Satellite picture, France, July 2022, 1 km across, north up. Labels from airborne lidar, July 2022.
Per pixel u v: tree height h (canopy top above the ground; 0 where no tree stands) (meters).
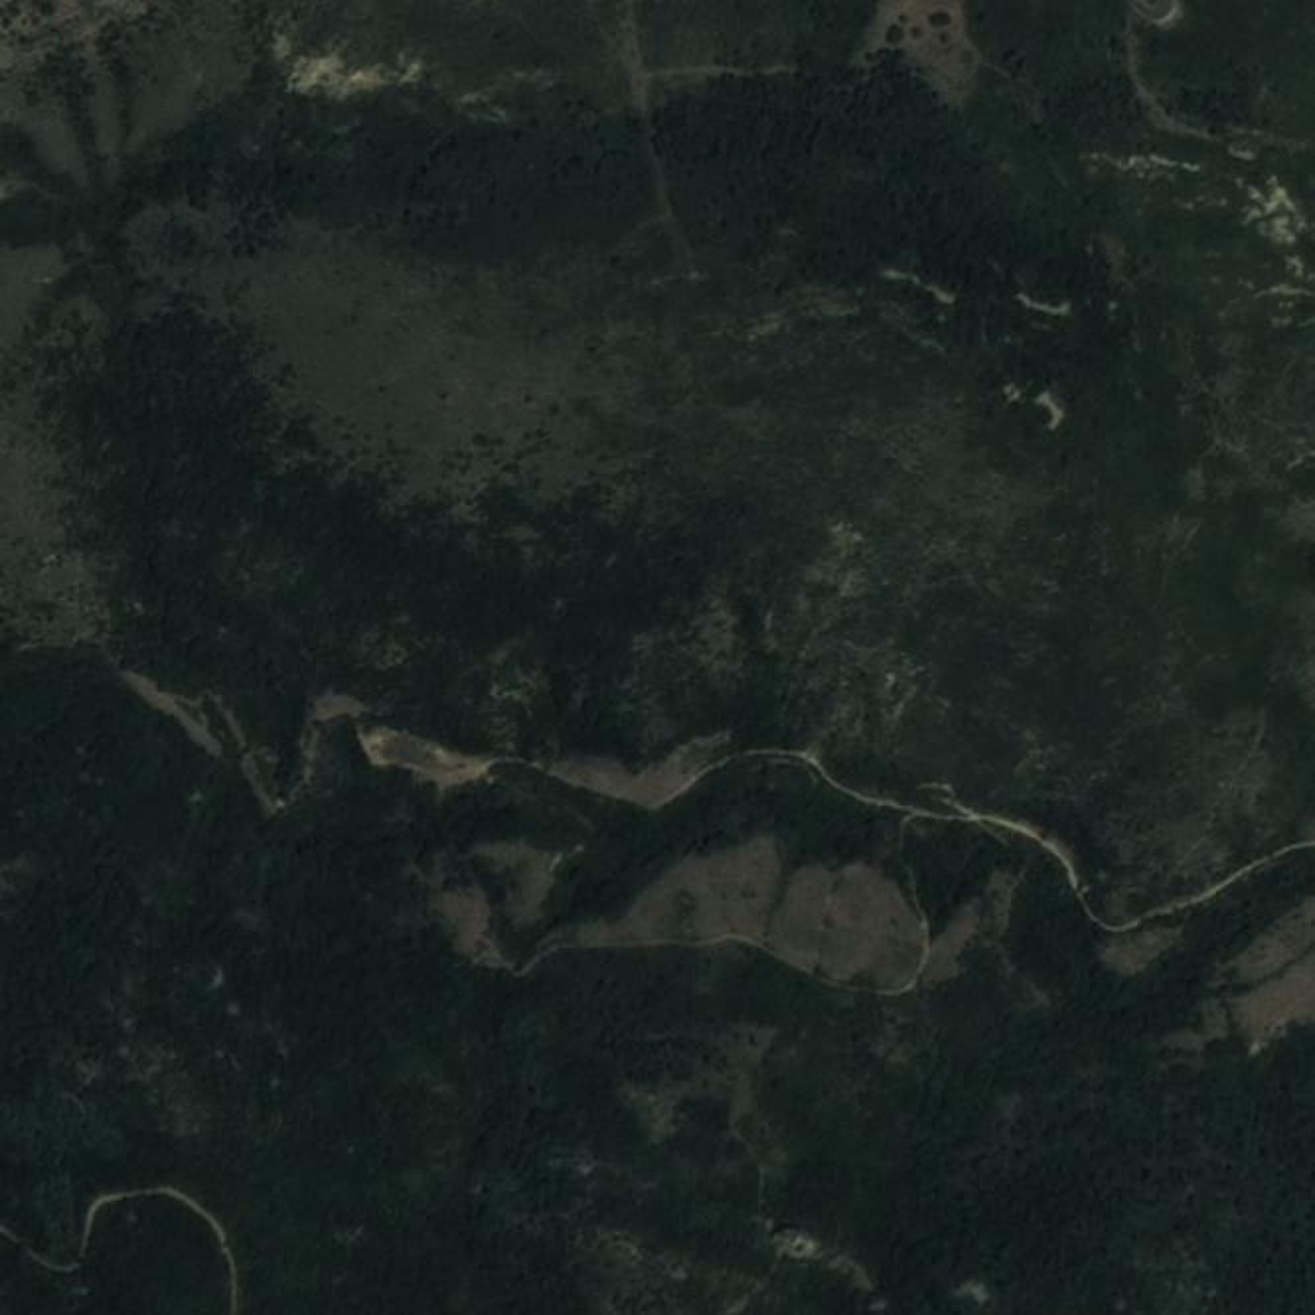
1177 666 0
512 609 8
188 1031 6
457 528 6
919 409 0
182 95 0
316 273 0
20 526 0
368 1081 6
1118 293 6
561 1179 6
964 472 0
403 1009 8
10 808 6
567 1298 5
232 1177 9
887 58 7
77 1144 8
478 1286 6
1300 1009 0
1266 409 0
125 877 9
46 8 12
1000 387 9
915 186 7
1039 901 13
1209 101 10
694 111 8
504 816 10
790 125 10
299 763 10
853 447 0
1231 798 0
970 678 0
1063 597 0
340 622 7
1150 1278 7
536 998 8
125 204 6
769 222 6
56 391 5
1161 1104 8
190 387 7
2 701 6
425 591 6
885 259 8
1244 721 0
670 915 0
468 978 7
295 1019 7
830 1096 8
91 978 8
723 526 8
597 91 0
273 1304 13
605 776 0
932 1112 14
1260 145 0
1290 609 0
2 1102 8
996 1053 8
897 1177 7
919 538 0
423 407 0
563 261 0
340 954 9
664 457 6
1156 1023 9
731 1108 0
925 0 0
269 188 6
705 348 0
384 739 0
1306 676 0
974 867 8
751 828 7
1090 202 10
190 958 8
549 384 0
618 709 10
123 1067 7
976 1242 10
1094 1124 6
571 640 13
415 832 7
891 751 0
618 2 0
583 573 6
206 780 7
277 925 7
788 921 0
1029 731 0
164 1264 9
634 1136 7
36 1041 7
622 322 0
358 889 9
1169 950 7
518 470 6
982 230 8
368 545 7
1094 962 6
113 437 7
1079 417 6
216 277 0
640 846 5
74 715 7
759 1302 5
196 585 7
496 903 6
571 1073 7
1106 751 0
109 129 0
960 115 9
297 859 6
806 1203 10
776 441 0
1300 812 6
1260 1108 7
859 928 0
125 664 11
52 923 6
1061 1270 8
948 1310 7
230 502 7
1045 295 11
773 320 0
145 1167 6
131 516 8
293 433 6
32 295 0
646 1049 7
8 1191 9
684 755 0
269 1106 9
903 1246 7
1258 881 9
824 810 7
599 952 8
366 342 0
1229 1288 5
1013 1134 8
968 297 7
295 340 0
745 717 6
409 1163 8
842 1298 9
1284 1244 8
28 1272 9
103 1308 9
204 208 7
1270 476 0
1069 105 11
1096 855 6
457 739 8
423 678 7
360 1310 9
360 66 0
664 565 7
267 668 10
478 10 0
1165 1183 11
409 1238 8
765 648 7
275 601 6
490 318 0
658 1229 7
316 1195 10
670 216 0
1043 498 0
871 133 9
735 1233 7
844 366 0
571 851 6
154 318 7
